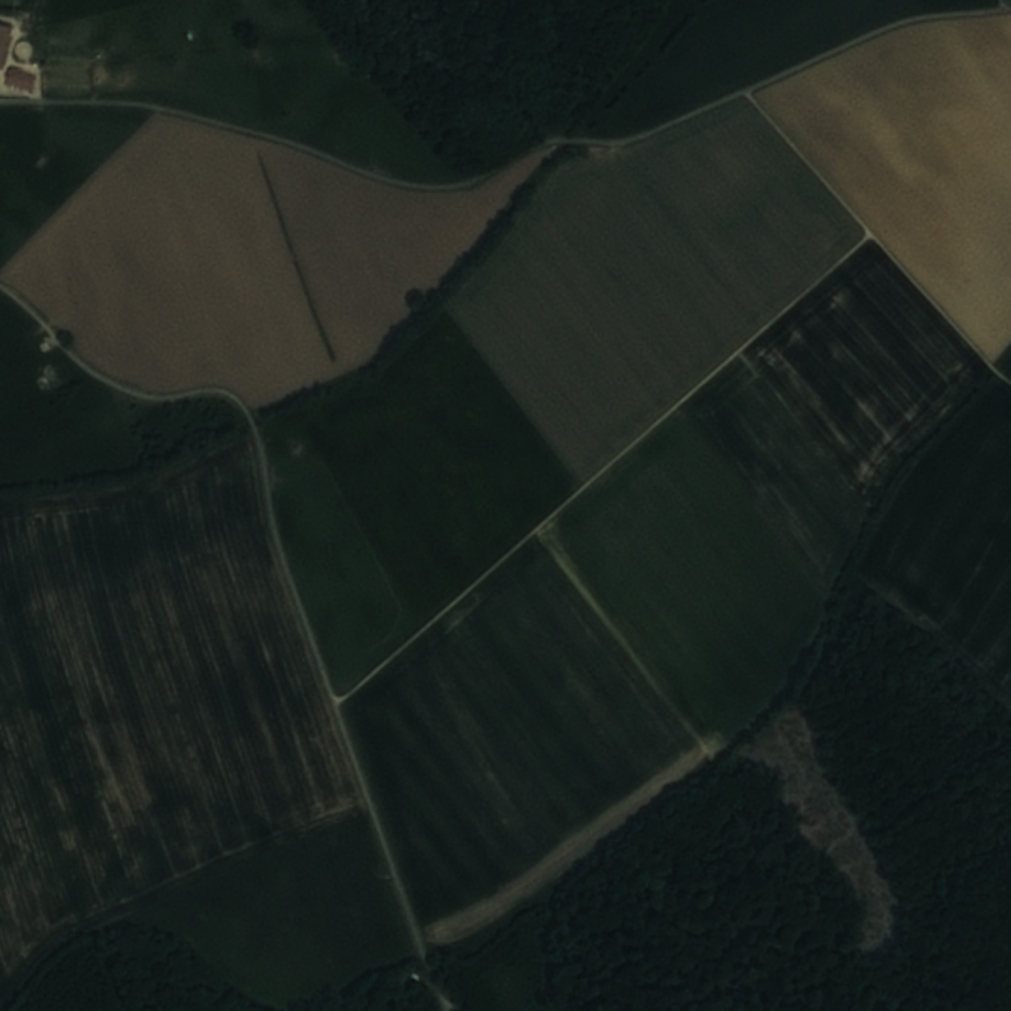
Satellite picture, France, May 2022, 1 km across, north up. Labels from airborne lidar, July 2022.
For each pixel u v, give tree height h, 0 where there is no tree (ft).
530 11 82
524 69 52
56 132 0
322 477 0
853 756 73
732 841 85
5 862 0
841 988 48
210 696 0
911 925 80
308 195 0
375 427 0
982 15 0
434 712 0
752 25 0
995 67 0
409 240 0
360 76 68
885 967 75
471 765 0
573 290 0
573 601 0
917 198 0
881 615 67
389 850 0
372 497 0
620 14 86
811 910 93
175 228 0
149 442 35
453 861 0
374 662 0
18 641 0
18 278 0
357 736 0
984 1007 90
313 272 0
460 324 0
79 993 32
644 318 0
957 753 59
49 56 0
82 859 0
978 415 0
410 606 0
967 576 0
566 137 57
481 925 0
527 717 0
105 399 0
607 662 0
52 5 0
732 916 93
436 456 0
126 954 65
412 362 0
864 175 0
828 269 0
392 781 0
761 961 93
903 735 84
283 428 0
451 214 0
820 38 0
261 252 0
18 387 0
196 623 0
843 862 0
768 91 0
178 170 0
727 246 0
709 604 0
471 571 0
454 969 20
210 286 0
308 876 0
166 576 0
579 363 0
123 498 0
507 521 0
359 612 0
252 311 0
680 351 0
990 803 88
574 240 0
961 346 0
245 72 0
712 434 0
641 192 0
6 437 0
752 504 0
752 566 0
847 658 62
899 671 81
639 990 88
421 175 0
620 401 0
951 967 98
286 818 0
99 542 0
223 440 41
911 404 0
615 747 0
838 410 0
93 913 0
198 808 0
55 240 0
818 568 0
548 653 0
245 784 0
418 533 0
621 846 64
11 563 0
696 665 0
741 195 0
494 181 0
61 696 0
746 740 49
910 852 95
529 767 0
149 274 0
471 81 92
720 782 73
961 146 0
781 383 0
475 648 0
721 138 0
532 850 0
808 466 0
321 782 0
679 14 0
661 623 0
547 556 0
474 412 0
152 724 0
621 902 80
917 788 62
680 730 0
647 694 0
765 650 0
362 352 0
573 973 90
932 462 0
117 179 0
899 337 0
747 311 0
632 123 0
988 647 0
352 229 0
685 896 93
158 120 0
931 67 0
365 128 0
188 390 0
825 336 0
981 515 0
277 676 0
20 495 31
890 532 0
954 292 0
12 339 0
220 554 0
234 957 0
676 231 0
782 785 66
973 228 0
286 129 0
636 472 0
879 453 0
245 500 0
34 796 0
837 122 0
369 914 0
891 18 0
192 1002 67
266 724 0
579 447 0
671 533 0
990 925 109
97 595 0
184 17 0
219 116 0
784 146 0
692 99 0
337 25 69
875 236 0
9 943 0
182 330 0
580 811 0
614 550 0
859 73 0
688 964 92
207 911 0
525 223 0
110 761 0
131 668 0
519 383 0
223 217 0
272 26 0
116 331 0
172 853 0
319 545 0
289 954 0
